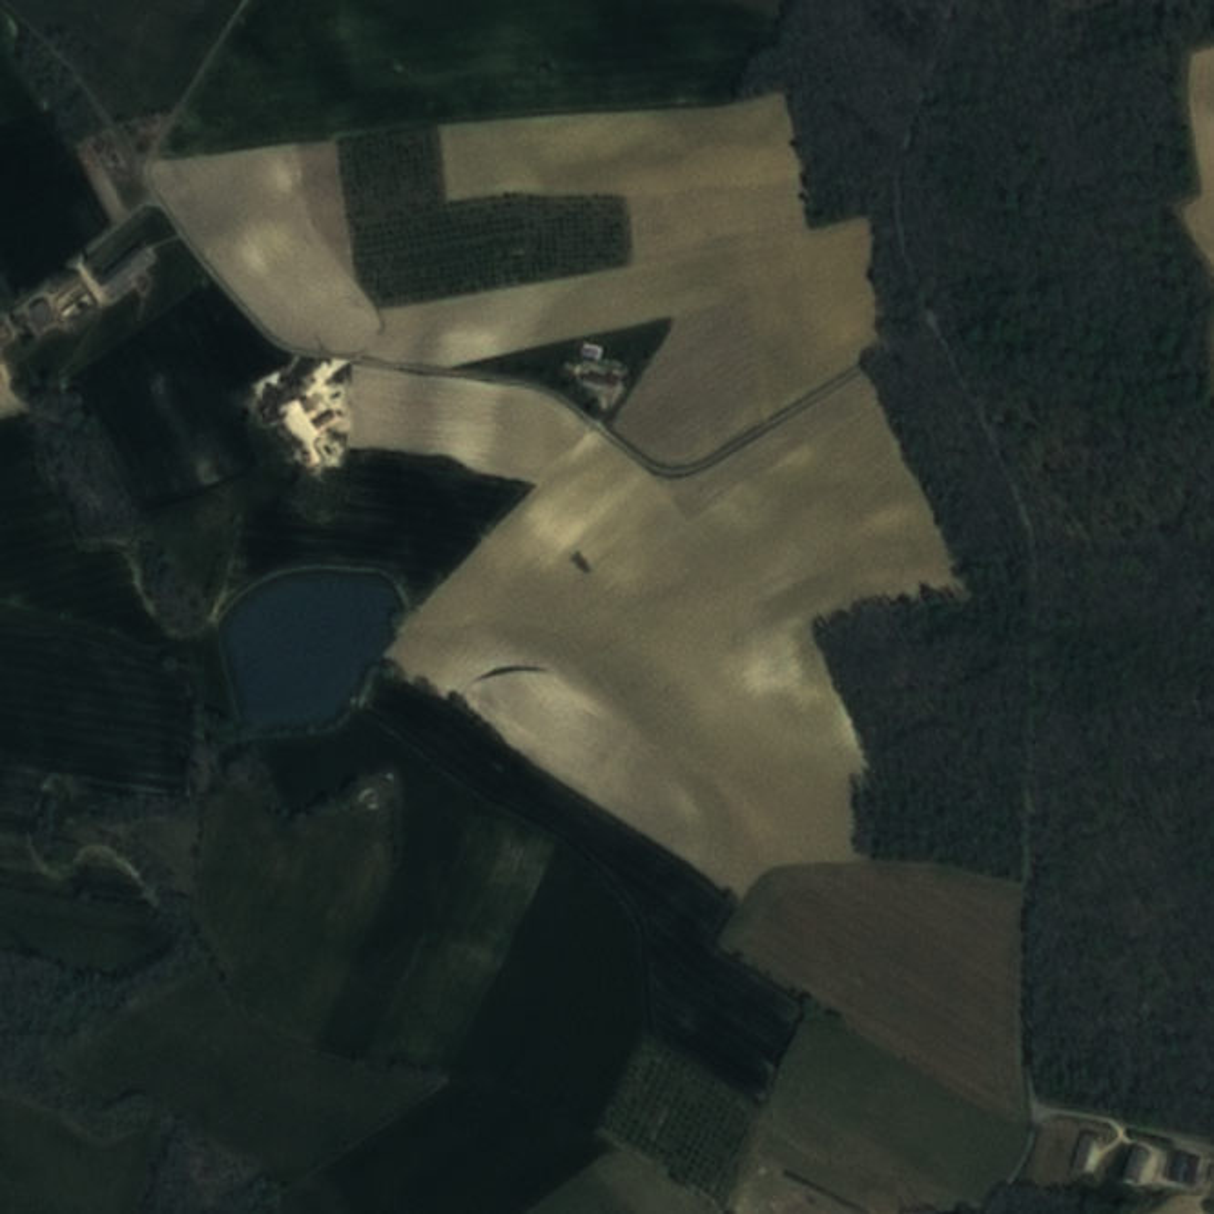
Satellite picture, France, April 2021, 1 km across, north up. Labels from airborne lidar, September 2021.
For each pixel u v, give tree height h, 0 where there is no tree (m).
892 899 0
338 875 0
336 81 0
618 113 0
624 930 0
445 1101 0
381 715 0
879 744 12
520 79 0
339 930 0
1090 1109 16
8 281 0
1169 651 13
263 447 0
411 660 0
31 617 0
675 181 0
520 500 0
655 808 0
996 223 20
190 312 0
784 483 0
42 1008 18
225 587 0
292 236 0
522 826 0
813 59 22
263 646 0
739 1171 0
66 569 0
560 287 0
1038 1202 19
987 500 19
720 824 0
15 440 0
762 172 0
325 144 0
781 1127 0
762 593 0
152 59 0
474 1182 0
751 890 0
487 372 0
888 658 16
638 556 0
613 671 0
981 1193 0
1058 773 19
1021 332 15
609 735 0
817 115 18
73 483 19
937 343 15
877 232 13
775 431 0
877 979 0
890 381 18
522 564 0
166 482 0
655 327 0
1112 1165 0
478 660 0
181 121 0
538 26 0
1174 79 10
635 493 0
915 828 17
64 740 0
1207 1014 20
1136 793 19
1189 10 20
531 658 0
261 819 0
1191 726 17
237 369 0
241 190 0
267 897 0
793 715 0
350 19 0
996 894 0
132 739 0
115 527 19
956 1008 0
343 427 0
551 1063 0
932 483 20
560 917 0
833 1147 0
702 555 0
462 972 0
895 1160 0
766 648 0
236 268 0
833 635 15
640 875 0
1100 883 19
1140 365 24
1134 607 18
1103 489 13
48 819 9
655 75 0
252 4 0
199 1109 0
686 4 0
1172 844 19
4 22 0
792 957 0
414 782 0
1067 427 20
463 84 0
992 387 21
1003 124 21
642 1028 0
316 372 0
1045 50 18
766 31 0
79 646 0
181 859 0
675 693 0
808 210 6
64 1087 14
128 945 0
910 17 17
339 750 0
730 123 0
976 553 18
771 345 0
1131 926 17
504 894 0
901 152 16
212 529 0
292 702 0
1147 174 17
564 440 0
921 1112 0
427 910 0
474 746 0
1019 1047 0
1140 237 20
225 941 0
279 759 0
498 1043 0
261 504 0
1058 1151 0
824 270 0
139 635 0
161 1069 0
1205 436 22
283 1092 0
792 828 0
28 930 0
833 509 0
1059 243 22
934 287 19
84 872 0
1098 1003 16
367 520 0
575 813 0
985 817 18
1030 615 19
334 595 0
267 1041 0
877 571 0
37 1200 0
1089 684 16
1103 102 18
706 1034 0
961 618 15
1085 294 20
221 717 13
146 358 0
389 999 0
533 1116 0
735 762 0
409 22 0
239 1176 13
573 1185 0
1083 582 20
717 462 0
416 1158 0
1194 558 19
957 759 19
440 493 0
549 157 0
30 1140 0
